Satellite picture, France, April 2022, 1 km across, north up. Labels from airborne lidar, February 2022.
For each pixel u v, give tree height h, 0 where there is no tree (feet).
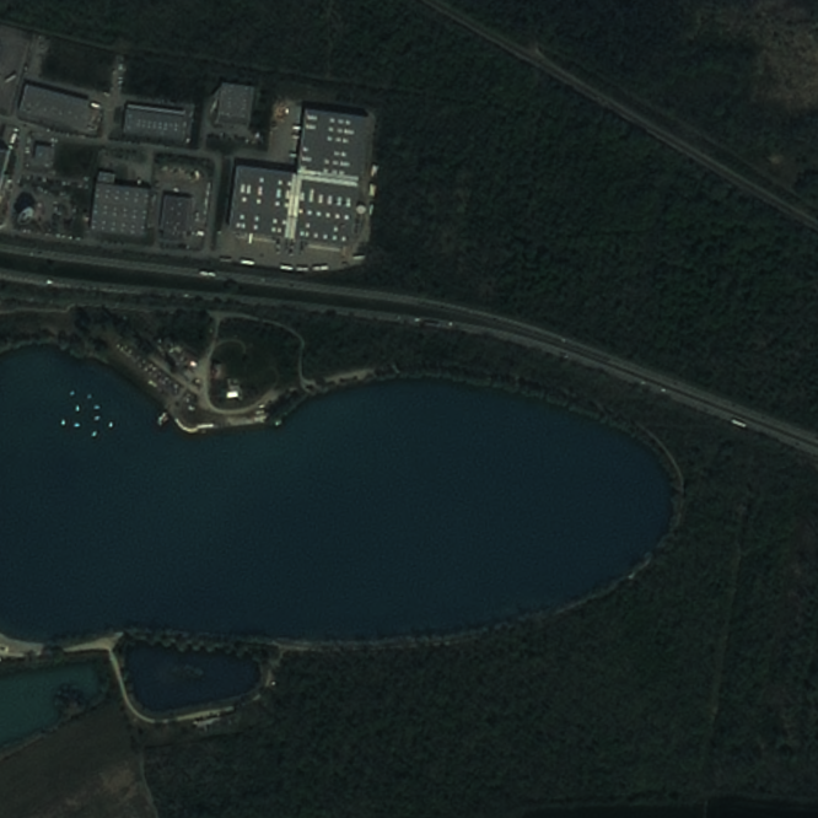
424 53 27
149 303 32
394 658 55
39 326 0
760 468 34
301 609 0
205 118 0
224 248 0
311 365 34
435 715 59
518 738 41
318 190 0
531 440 0
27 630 0
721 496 44
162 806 17
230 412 0
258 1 44
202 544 0
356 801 57
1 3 51
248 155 0
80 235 0
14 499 0
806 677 49
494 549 0
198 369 0
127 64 28
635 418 35
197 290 0
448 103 48
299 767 57
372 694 55
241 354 0
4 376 0
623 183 51
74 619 0
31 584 0
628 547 0
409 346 33
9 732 0
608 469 0
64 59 0
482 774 27
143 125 0
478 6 31
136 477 0
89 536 0
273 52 30
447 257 29
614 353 33
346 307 0
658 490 0
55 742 0
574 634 54
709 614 57
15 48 0
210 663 0
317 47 23
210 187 0
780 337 25
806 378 38
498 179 40
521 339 0
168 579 0
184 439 0
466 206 58
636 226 45
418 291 27
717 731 20
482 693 57
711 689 63
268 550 0
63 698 30
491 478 0
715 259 36
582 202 33
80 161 0
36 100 0
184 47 37
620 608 53
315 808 58
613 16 69
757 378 31
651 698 58
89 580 0
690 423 24
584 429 0
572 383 30
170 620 0
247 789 22
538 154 51
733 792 53
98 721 0
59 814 0
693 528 35
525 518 0
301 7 37
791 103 0
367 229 0
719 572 56
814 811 0
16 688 0
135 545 0
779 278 48
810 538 74
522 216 43
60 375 0
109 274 0
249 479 0
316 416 0
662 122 57
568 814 0
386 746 54
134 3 56
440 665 55
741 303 53
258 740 26
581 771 54
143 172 0
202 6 59
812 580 65
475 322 0
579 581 0
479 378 63
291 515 0
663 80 59
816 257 39
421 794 39
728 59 58
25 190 0
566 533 0
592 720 49
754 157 0
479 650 39
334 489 0
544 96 46
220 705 0
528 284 37
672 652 53
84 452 0
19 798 0
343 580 0
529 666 54
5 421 0
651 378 0
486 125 32
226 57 19
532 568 0
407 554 0
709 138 48
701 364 43
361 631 0
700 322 60
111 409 0
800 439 0
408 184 41
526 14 31
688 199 31
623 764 59
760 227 48
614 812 0
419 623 0
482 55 36
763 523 42
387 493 0
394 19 32
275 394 0
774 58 0
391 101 25
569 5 73
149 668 0
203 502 0
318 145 0
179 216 0
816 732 76
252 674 0
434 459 0
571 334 27
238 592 0
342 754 61
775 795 55
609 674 57
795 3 0
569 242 31
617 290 30
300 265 0
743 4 63
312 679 42
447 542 0
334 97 0
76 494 0
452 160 28
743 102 51
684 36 23
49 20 38
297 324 47
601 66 35
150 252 0
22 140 0
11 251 0
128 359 0
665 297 41
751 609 52
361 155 0
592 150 20
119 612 0
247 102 0
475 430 0
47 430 0
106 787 0
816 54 0
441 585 0
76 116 0
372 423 0
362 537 0
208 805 26
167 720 0
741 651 38
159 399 0
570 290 46
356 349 35
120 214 0
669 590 50
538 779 52
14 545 0
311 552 0
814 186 56
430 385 0
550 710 53
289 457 0
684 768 67
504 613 0
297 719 48
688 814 0
